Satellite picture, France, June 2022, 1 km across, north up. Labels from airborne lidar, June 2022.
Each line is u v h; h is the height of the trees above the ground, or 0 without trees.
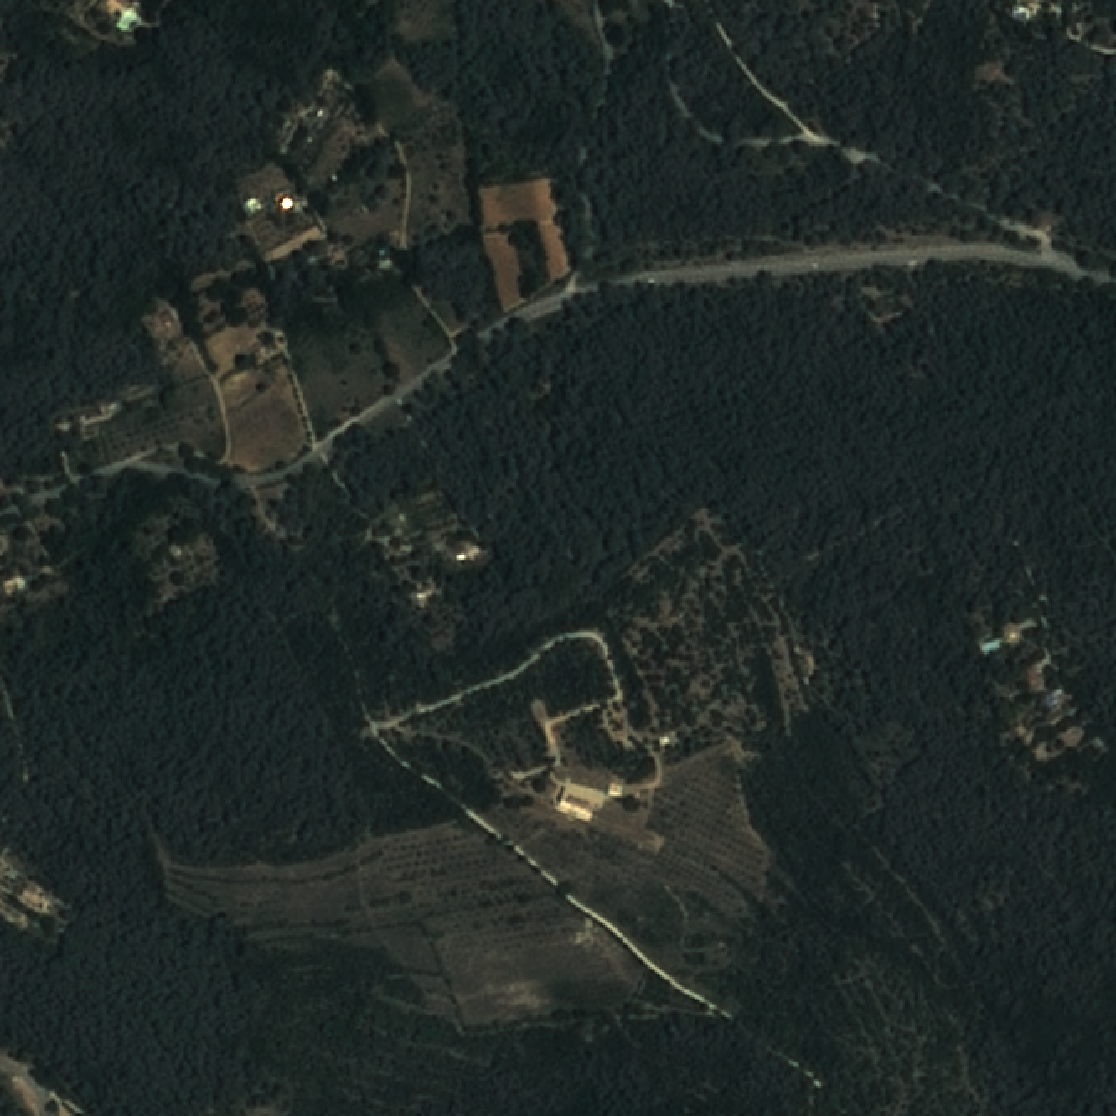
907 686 16
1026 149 16
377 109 8
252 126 17
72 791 16
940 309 17
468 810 6
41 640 16
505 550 17
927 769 17
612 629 8
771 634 7
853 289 16
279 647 15
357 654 6
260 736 16
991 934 13
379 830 10
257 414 0
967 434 18
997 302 17
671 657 7
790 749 5
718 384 17
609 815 0
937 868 14
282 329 18
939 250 0
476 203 10
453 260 22
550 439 11
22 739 18
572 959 0
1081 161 16
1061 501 15
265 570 16
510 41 23
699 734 14
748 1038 16
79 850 7
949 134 15
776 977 7
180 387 21
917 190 18
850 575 17
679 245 6
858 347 15
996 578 18
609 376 17
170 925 19
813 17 17
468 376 12
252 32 16
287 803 5
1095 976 18
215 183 19
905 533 16
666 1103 6
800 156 18
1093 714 18
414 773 8
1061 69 17
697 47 7
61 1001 16
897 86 16
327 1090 7
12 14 10
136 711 18
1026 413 16
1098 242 18
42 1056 19
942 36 17
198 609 11
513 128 23
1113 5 7
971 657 16
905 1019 7
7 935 19
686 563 7
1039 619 16
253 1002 22
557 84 24
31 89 19
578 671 7
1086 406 16
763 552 14
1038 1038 12
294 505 18
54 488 12
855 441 15
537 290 9
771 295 16
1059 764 8
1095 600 13
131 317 12
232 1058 21
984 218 18
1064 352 18
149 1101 19
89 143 18
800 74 18
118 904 15
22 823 19
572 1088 10
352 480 11
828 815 7
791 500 17
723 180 20
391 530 9
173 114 19
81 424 22
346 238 8
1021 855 7
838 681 7
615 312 8
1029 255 0
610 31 12
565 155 20
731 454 15
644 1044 8
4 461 18
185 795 16
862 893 7
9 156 21
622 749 7
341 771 9
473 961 0
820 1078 7
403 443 21
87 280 14
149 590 15
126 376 21
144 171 20
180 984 19
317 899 0
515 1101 14
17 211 23
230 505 8
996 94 14
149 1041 17
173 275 16
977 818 15
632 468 18
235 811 7
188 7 18
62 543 9
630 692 6
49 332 15
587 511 16
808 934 6
